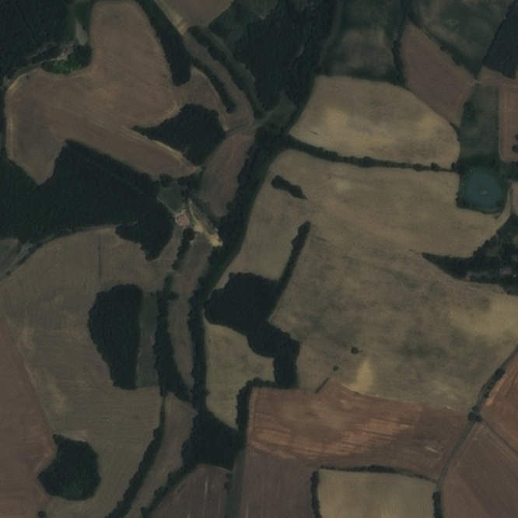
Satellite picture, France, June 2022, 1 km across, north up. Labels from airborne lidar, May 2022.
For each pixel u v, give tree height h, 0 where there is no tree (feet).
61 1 72
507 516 0
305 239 34
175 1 0
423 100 0
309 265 0
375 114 0
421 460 0
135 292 55
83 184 54
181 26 0
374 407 0
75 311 0
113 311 57
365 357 0
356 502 0
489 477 0
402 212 0
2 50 58
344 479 0
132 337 54
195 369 30
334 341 0
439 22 0
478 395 0
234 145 0
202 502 0
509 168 0
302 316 0
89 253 0
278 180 23
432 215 0
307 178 0
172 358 55
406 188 0
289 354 27
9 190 48
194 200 20
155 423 0
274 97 49
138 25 0
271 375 0
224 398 0
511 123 0
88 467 38
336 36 0
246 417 55
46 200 60
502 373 46
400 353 0
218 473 0
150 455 57
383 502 0
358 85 0
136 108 0
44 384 0
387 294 0
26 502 0
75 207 50
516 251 24
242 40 48
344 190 0
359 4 0
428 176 0
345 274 0
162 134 50
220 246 23
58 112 0
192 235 58
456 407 0
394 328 0
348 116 0
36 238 53
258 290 44
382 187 0
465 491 0
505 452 0
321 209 0
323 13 93
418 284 0
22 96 0
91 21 0
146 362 0
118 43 0
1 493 0
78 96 0
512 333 0
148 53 0
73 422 0
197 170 0
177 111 0
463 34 0
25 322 0
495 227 0
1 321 0
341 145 0
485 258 45
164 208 73
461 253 0
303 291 0
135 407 0
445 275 0
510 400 0
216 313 52
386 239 0
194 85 0
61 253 0
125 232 39
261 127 21
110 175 50
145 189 66
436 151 0
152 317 0
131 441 0
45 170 0
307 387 0
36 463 0
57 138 0
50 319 0
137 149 0
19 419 0
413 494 0
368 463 0
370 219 0
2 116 44
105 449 0
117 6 0
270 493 0
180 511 0
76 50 30
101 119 0
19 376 0
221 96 20
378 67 0
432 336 0
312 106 0
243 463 0
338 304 0
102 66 0
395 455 0
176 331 0
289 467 0
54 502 0
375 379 0
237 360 0
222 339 0
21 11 49
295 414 0
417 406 0
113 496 0
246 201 23
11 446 0
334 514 0
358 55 0
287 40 53
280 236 0
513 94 0
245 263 0
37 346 0
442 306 0
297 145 19
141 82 0
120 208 54
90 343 0
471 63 0
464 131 0
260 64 60
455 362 0
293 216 0
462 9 0
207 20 0
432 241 0
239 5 33
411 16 48
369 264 0
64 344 0
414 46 0
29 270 0
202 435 57
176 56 43
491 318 0
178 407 0
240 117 0
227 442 26
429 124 0
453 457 0
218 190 0
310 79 35
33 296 0
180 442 0
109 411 0
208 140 52
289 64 56
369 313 0
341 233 0
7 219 42
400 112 0
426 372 0
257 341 65
